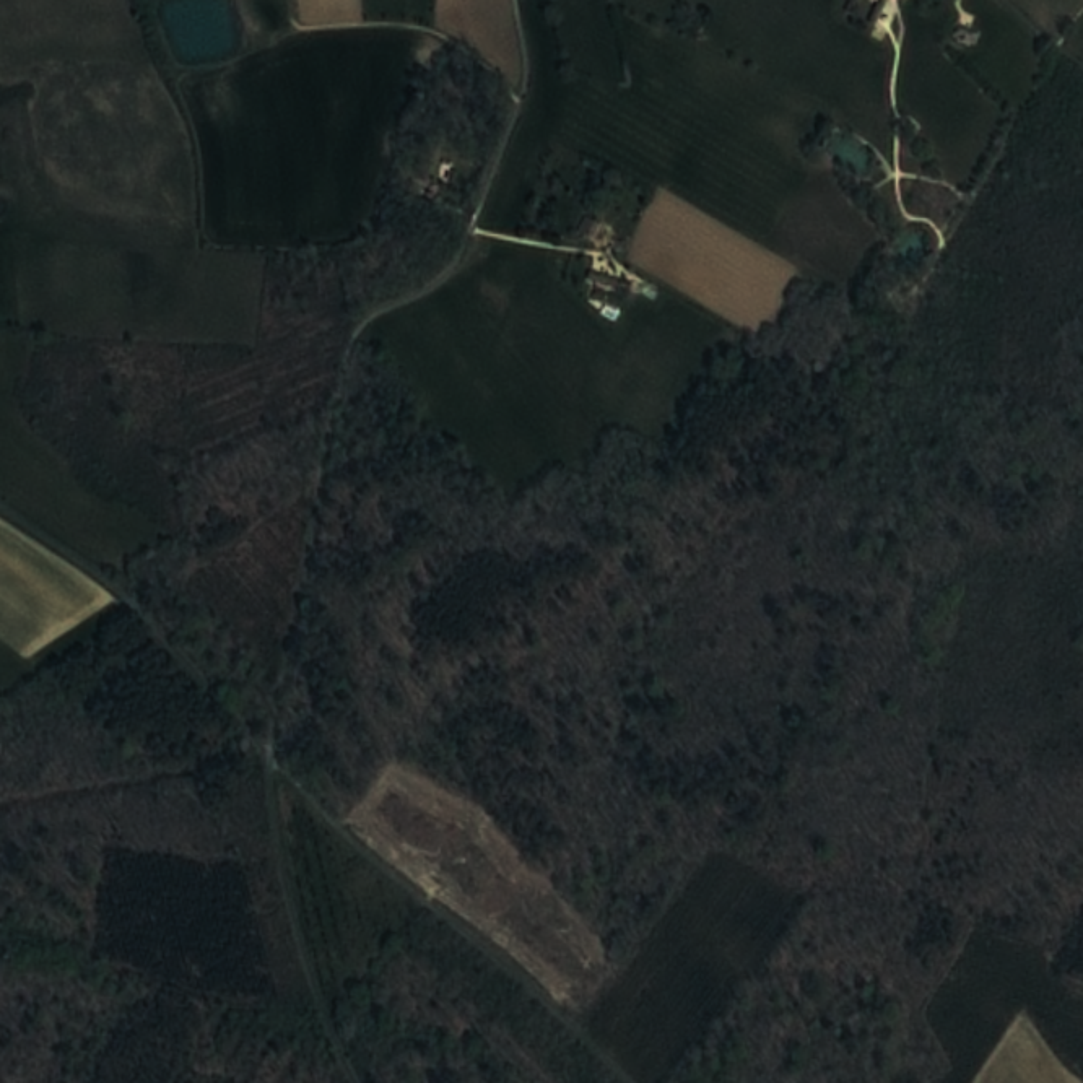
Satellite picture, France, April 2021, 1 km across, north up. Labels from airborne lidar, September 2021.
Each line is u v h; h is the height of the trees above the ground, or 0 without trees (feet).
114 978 38
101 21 0
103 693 32
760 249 0
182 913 33
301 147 0
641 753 65
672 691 41
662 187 0
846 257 0
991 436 56
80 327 0
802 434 93
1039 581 19
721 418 95
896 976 28
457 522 73
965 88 0
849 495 52
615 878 28
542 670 66
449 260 59
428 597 93
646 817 56
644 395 0
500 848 0
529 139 0
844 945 51
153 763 39
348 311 49
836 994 44
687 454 81
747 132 0
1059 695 25
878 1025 49
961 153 0
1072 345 45
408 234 74
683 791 89
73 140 0
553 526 41
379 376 49
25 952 67
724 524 34
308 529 34
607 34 0
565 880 62
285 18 0
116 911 33
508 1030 32
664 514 68
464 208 41
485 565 58
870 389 67
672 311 0
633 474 64
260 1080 29
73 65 0
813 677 46
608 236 0
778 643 30
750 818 77
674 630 37
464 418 0
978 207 26
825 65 0
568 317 0
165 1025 50
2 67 0
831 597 46
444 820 0
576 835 53
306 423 49
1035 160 40
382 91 0
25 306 0
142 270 0
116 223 0
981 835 33
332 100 0
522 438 0
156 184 0
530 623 58
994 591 24
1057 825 51
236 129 0
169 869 37
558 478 57
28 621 0
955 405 57
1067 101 27
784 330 45
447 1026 52
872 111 0
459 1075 53
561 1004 0
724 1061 66
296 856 25
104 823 27
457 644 50
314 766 77
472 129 46
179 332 0
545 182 29
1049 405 34
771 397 89
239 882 31
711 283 0
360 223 0
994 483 65
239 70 0
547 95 0
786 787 80
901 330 75
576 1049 18
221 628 57
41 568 0
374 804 0
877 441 59
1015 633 20
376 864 0
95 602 0
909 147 52
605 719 64
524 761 35
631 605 63
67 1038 45
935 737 33
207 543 30
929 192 38
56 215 0
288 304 82
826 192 0
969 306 31
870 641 82
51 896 51
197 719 86
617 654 33
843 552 47
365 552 76
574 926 0
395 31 0
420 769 70
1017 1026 0
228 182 0
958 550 80
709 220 0
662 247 0
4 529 0
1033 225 40
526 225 33
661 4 0
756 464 81
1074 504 37
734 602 25
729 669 42
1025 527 94
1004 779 83
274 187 0
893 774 42
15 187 0
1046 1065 0
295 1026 34
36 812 34
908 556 75
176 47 0
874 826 49
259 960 30
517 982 30
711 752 44
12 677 0
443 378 0
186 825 32
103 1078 47
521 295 0
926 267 73
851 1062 26
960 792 17
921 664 47
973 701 21
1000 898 41
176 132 0
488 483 68
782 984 47
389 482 93
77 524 0
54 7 0
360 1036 32
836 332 66
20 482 0
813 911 53
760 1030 51
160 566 42
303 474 58
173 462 59
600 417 0
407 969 36
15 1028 40
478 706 85
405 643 56
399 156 37
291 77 0
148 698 83
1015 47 0
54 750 57
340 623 68
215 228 0
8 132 0
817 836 38
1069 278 26
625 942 46
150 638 82
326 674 84
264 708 55
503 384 0
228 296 0
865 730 51
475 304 0
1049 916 56
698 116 0
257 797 35
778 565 37
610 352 0
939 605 69
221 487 55
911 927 27
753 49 0
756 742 36
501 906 0
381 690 68
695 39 0
